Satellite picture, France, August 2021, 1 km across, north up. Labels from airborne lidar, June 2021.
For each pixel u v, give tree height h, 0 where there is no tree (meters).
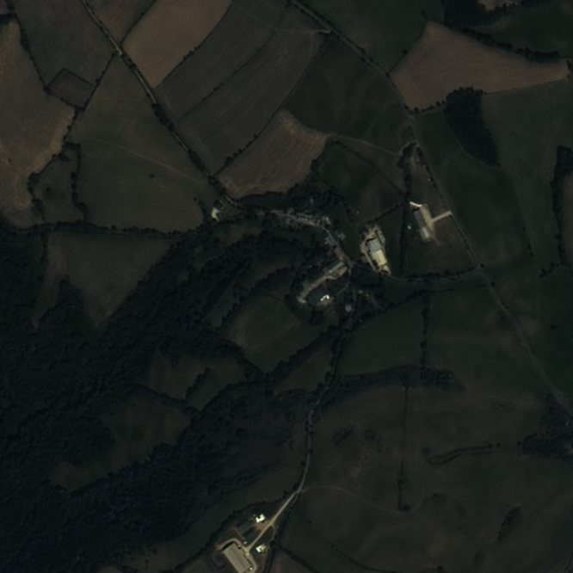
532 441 9
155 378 0
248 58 0
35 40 0
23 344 18
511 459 0
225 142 0
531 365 0
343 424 0
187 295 26
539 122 0
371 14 0
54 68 0
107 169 0
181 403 10
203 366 0
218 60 0
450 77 0
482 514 0
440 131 0
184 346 21
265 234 13
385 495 0
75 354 16
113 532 12
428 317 13
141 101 0
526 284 0
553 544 0
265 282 11
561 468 0
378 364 0
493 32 0
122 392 17
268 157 0
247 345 0
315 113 0
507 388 0
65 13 0
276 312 0
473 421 0
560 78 0
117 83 0
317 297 0
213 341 17
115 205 0
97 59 0
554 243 0
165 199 0
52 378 22
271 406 0
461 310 0
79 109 8
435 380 9
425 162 11
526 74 0
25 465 22
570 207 0
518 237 0
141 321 20
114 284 0
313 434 7
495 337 0
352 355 0
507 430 0
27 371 18
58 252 0
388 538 0
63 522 15
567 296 0
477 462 0
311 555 0
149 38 0
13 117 0
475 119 23
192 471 14
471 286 0
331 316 0
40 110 0
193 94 0
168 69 0
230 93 0
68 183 0
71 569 9
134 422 0
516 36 0
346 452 0
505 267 0
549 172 0
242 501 0
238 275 20
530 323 0
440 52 0
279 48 0
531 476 0
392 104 0
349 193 0
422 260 0
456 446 0
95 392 25
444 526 0
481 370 0
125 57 9
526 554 0
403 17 0
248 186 0
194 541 0
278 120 0
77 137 0
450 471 0
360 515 0
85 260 0
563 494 0
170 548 0
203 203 0
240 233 0
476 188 0
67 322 23
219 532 7
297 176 0
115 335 12
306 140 0
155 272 11
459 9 18
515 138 0
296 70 0
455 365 0
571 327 0
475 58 0
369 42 0
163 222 0
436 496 5
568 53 0
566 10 0
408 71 0
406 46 0
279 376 16
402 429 0
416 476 0
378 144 0
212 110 0
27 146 0
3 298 13
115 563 7
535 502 0
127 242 0
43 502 16
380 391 0
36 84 0
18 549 12
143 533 10
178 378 0
